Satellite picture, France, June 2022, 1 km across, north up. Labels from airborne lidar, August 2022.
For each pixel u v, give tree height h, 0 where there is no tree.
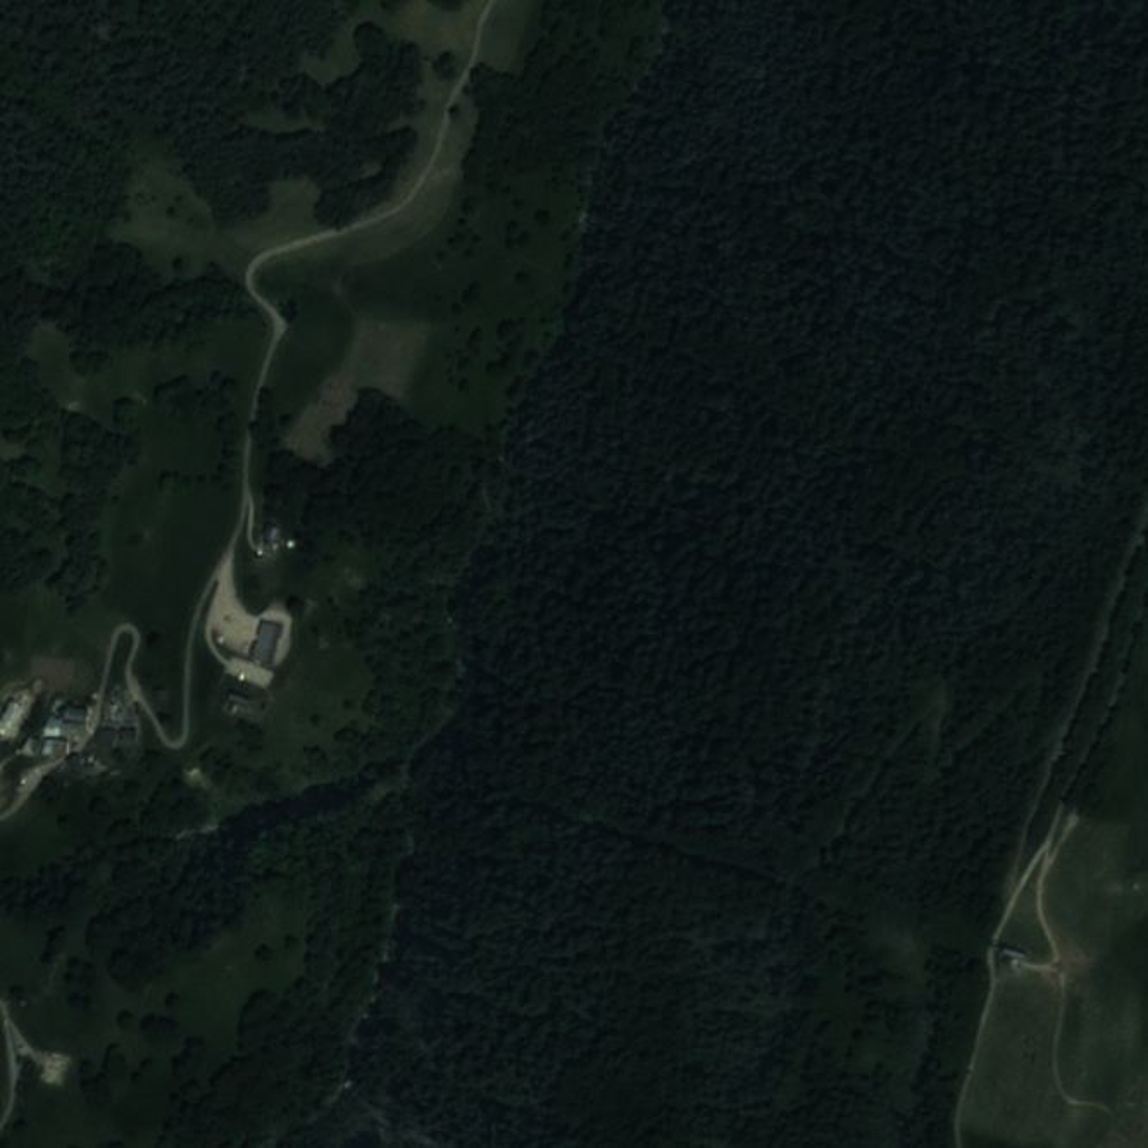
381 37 24
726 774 23
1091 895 0
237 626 0
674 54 18
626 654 16
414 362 0
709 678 29
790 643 23
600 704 19
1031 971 0
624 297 28
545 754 26
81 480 18
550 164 13
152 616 0
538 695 20
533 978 14
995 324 35
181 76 20
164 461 0
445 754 17
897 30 21
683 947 15
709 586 27
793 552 21
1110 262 8
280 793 16
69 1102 0
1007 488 13
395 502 21
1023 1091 0
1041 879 0
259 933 0
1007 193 20
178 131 28
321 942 20
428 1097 13
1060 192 28
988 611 17
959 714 7
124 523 0
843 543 14
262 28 22
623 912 15
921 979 0
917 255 15
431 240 0
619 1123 21
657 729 10
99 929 20
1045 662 7
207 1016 0
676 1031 16
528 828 23
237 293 15
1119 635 14
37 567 17
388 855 26
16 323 22
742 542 18
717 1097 16
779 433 26
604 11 12
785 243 25
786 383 28
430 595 18
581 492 18
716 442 23
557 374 18
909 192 12
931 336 23
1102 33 16
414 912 8
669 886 11
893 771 12
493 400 0
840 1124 8
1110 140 25
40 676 0
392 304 0
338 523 12
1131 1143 0
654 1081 22
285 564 0
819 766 7
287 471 20
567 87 25
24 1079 7
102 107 9
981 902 12
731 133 24
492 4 0
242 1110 19
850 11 21
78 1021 0
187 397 21
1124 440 12
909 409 23
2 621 0
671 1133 13
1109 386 13
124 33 18
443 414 0
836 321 21
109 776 8
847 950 16
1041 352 10
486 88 24
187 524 0
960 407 25
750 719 22
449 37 0
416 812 18
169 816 25
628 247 27
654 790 14
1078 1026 0
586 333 31
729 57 27
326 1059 29
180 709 0
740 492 16
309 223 0
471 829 17
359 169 20
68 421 13
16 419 16
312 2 21
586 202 13
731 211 35
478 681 10
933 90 22
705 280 26
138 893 20
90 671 0
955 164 24
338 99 25
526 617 8
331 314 0
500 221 0
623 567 13
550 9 17
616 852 30
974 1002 0
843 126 16
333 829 20
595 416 29
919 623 15
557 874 21
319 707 0
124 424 23
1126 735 0
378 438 22
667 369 25
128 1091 0
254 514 0
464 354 12
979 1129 0
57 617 0
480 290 10
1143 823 0
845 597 14
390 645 20
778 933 8
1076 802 11
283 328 0
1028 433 14
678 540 14
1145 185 7
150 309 21
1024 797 8
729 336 31
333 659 0
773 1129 11
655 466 11
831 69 15
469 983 23
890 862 6
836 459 13
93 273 22
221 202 24
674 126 16
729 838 19
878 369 17
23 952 0
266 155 23
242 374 0
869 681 7
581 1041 27
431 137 0
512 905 19
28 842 0
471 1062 29
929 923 15
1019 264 21
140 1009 0
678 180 22
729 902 16
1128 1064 0
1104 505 6
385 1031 13
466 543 21
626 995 19
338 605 19
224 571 0
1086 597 14
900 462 25
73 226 21
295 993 10
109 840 8
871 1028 10
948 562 23
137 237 0
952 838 13
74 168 19
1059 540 15
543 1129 23
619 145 18
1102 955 0
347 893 29
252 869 22
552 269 0
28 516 15
